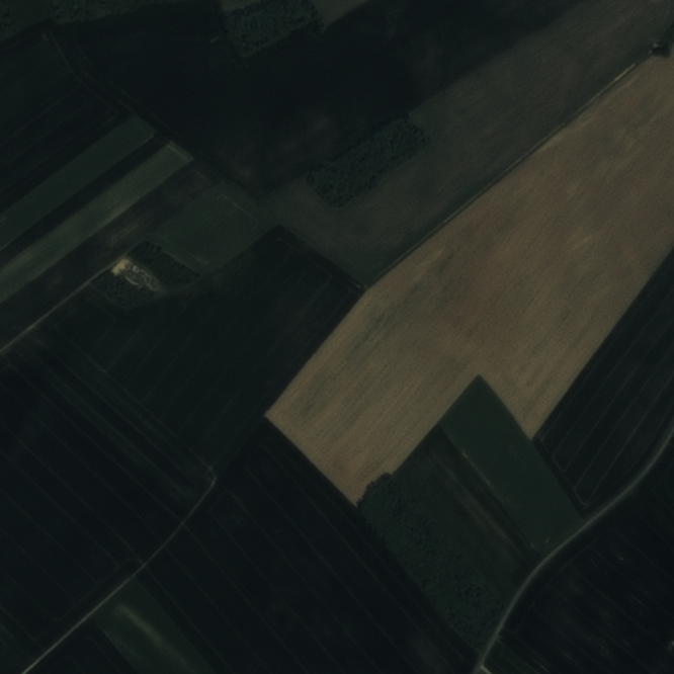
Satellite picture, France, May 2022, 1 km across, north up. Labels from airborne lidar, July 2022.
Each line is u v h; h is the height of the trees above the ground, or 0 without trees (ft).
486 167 0
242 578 0
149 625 0
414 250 0
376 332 0
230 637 0
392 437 0
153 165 0
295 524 0
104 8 54
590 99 0
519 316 0
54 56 0
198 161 0
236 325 0
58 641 0
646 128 0
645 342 0
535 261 0
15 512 0
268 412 0
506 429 0
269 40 65
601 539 0
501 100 0
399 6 0
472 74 0
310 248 0
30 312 0
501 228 0
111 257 0
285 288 0
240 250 0
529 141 0
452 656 0
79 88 0
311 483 0
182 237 0
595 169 0
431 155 0
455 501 0
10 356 0
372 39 0
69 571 0
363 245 0
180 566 0
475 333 0
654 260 0
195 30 0
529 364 0
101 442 0
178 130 0
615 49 0
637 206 0
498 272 0
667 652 0
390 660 0
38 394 0
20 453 0
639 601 0
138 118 0
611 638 0
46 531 0
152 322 0
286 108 0
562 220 0
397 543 58
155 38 0
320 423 0
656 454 0
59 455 0
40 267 0
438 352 0
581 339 0
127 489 0
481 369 0
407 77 0
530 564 0
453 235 0
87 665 0
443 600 56
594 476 0
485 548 0
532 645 0
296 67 0
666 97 0
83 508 0
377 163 57
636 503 0
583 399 0
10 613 0
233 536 0
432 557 61
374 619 0
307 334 0
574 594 0
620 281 0
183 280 33
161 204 0
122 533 0
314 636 0
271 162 0
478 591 70
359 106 0
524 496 0
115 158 0
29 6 0
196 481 0
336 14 0
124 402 0
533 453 0
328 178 50
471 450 0
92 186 0
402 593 0
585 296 0
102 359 0
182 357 0
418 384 0
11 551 0
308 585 0
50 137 0
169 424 0
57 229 0
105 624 0
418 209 0
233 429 0
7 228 0
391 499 72
